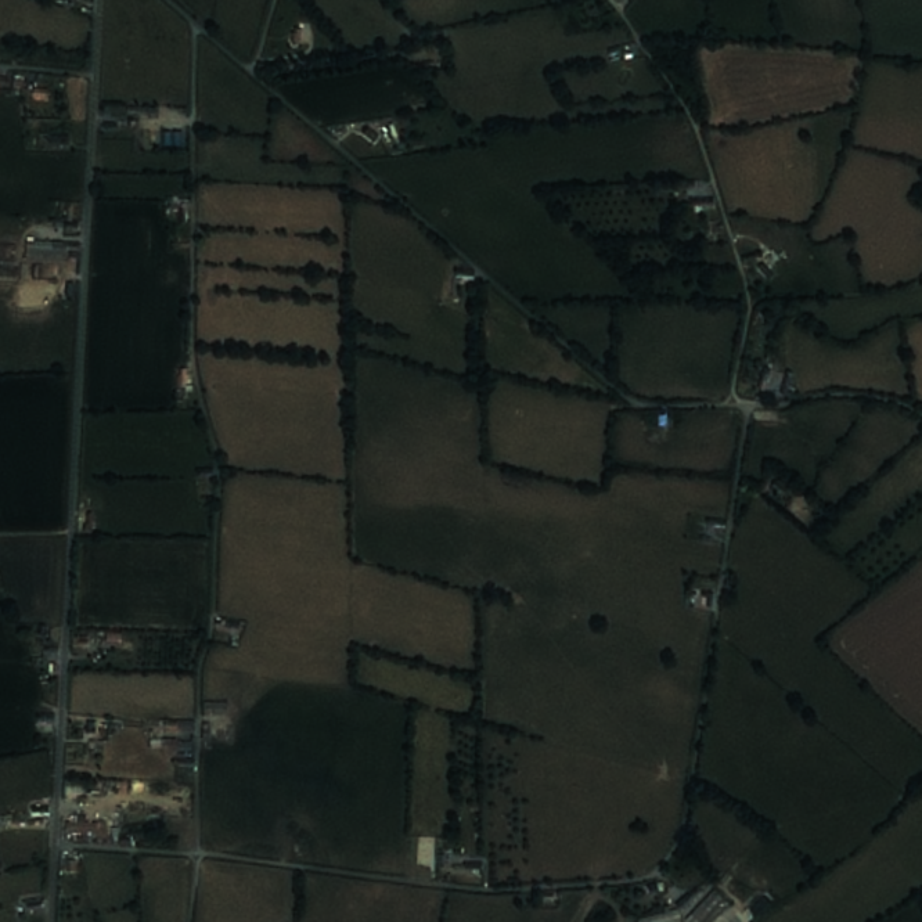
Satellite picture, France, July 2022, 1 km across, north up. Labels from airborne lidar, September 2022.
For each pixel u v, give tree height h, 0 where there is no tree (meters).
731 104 0
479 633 8
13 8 0
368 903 0
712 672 11
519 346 0
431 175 0
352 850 0
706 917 0
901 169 0
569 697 0
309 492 0
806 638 0
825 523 16
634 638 0
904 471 0
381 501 0
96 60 0
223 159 0
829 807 0
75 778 15
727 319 0
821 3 0
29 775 0
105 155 0
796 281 0
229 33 0
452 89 0
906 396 8
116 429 0
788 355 0
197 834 0
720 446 0
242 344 11
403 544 0
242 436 0
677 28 0
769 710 0
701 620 0
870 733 0
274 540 0
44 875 5
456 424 0
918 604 0
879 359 0
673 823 0
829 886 0
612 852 0
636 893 12
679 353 0
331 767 0
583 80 0
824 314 0
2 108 0
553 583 0
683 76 7
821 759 0
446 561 0
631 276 18
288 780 0
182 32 0
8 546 0
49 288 0
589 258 0
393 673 0
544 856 0
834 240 7
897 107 0
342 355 14
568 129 20
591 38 0
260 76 11
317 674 0
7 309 0
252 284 0
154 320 0
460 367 0
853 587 0
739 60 0
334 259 0
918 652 0
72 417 0
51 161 0
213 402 0
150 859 0
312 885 0
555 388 13
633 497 0
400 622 0
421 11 0
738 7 0
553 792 0
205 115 0
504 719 0
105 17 0
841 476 0
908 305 0
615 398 10
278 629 0
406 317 0
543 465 0
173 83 0
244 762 0
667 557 0
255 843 0
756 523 0
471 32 0
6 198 0
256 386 0
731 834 0
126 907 8
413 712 13
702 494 0
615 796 0
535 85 0
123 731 0
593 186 7
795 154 0
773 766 0
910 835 0
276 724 0
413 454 0
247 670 0
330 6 0
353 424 12
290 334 0
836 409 0
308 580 0
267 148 7
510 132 22
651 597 0
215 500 11
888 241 0
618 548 0
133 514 0
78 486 0
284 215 0
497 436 0
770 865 0
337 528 0
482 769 13
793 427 0
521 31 0
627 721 0
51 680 8
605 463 9
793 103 0
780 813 0
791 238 0
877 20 0
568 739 0
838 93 0
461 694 0
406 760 7
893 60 7
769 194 0
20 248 0
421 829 0
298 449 0
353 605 0
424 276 0
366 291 0
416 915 0
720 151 0
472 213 0
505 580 0
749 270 7
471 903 0
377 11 0
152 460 0
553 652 0
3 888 0
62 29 0
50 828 0
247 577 0
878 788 0
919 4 0
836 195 0
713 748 0
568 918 0
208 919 0
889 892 0
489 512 0
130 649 0
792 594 0
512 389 0
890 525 16
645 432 0
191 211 0
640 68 0
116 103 6
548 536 0
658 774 0
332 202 0
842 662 8
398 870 0
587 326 0
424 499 0
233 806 0
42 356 0
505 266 0
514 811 6
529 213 0
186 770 0
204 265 9
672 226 22
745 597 0
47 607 0
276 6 0
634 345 0
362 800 0
